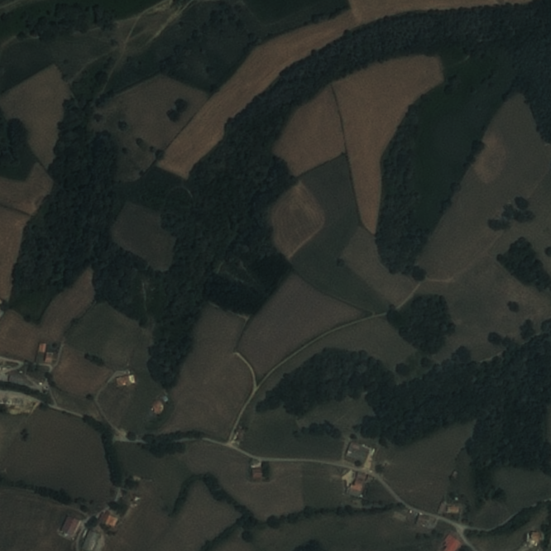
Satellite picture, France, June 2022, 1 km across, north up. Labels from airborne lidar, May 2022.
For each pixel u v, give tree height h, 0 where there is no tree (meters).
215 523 0
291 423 0
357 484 0
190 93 0
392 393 21
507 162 0
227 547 0
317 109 0
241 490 0
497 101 0
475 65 0
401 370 17
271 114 11
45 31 23
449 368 24
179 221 20
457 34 14
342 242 0
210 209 12
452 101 0
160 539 0
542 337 7
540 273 16
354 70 11
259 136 19
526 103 8
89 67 0
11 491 0
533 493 0
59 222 18
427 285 0
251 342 0
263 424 0
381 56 16
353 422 0
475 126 0
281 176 22
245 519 13
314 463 0
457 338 0
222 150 12
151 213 0
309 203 0
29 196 0
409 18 17
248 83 0
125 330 0
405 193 14
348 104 0
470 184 0
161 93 0
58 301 0
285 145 0
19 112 0
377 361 8
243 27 12
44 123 0
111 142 19
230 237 24
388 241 21
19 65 0
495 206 0
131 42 0
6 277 0
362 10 0
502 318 0
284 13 0
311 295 0
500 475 0
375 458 0
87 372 0
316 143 0
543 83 17
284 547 0
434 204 0
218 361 0
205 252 20
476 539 0
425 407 17
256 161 12
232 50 0
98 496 0
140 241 0
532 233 0
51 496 12
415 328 10
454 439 0
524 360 16
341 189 0
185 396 0
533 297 0
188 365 0
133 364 0
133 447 0
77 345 0
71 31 21
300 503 0
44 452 0
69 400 0
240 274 0
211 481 10
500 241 0
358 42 16
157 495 0
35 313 0
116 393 0
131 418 0
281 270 10
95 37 0
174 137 0
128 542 0
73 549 0
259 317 0
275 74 0
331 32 0
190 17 0
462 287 0
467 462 0
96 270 7
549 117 15
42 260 20
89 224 19
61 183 9
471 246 0
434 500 0
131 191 0
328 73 20
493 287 0
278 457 0
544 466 16
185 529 0
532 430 9
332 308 0
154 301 0
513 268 9
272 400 18
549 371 14
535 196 0
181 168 0
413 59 0
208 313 0
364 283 0
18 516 0
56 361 0
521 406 14
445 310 15
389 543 0
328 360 8
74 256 22
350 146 0
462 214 0
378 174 0
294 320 0
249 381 0
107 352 0
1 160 16
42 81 0
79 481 0
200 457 0
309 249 0
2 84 0
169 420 0
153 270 13
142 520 0
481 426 21
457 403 27
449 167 0
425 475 0
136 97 0
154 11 0
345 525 0
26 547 0
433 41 15
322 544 7
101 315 0
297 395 13
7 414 0
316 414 0
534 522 0
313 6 0
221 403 0
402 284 0
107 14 16
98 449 0
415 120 14
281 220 0
